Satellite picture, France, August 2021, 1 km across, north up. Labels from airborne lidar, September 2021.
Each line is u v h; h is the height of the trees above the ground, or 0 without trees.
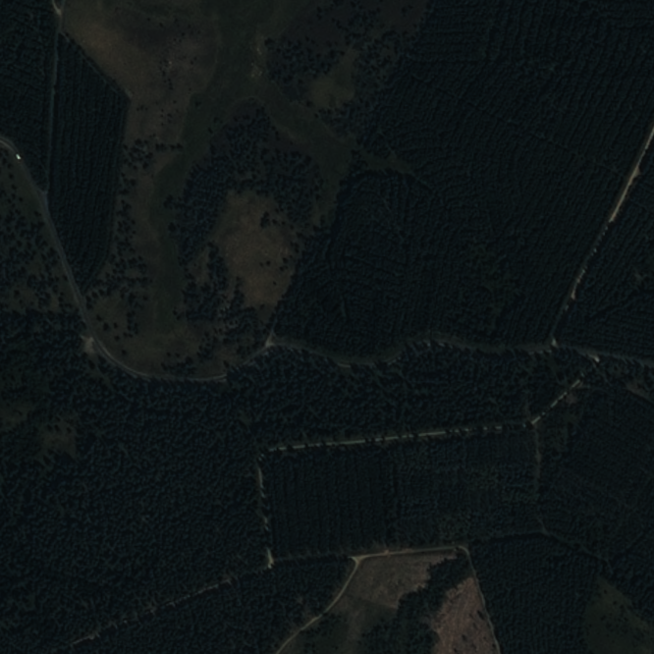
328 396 18
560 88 15
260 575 14
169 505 18
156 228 0
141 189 0
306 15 0
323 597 20
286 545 18
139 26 0
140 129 0
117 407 18
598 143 9
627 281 21
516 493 18
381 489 17
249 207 0
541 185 12
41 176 20
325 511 15
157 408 21
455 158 19
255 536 21
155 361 0
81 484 20
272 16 0
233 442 23
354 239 19
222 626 20
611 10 18
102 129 18
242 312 13
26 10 16
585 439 17
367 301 20
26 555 16
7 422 0
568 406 9
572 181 11
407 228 17
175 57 0
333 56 11
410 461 20
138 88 0
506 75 16
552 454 9
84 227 18
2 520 15
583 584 21
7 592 13
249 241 0
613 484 17
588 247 14
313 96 0
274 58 0
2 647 17
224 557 19
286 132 0
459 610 0
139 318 0
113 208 11
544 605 17
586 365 17
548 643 14
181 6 0
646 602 18
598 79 16
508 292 10
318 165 0
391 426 14
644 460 18
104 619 19
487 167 16
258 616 25
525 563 17
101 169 17
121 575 14
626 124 10
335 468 15
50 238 0
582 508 19
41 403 8
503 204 17
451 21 19
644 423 19
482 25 20
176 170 0
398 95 16
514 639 15
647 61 18
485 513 7
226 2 0
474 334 22
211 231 7
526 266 16
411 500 12
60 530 14
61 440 0
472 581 0
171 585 18
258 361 11
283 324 13
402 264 12
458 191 17
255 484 13
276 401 18
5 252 0
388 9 0
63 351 26
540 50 15
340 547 17
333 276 17
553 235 13
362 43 0
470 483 17
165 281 0
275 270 0
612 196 9
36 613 12
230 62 0
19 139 17
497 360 16
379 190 12
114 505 20
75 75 12
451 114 14
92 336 0
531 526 20
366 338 20
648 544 7
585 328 20
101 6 0
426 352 12
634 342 18
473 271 13
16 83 19
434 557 0
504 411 13
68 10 0
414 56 16
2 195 8
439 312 17
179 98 0
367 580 0
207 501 18
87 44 0
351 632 0
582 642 17
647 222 17
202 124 0
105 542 19
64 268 0
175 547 21
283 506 19
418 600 10
